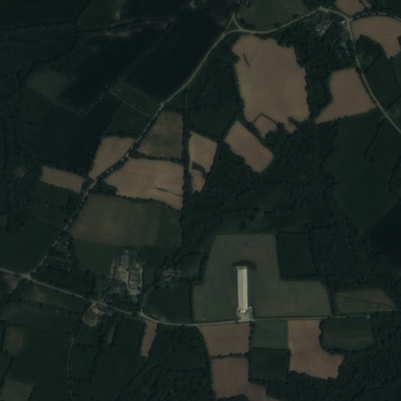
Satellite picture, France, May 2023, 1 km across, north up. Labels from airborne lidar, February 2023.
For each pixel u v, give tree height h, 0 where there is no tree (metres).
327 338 0
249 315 0
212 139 13
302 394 17
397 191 9
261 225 0
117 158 0
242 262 0
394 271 0
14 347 0
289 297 0
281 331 0
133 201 13
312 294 0
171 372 12
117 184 0
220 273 0
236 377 0
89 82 0
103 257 0
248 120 0
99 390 0
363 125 0
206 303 0
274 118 0
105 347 9
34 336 0
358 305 0
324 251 21
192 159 0
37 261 0
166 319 0
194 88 0
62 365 0
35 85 0
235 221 0
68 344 0
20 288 10
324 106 11
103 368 0
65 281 0
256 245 0
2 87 0
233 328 0
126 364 0
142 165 0
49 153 0
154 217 0
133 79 0
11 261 0
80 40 12
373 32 0
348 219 18
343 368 18
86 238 0
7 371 7
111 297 9
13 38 0
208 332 0
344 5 0
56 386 0
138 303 7
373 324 7
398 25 0
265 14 0
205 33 0
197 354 0
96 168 0
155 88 0
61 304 0
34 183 10
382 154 0
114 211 0
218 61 13
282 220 0
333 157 0
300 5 0
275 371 0
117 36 0
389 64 10
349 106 0
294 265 0
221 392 0
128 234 0
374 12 13
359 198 0
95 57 0
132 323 0
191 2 0
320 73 0
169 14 0
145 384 14
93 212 0
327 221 0
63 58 11
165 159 9
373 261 0
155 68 0
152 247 0
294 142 11
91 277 10
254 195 0
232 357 10
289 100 0
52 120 0
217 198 12
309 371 0
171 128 0
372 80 0
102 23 0
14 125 10
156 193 0
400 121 0
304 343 0
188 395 9
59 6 0
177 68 0
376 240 0
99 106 0
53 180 0
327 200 19
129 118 0
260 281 0
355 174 0
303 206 17
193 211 0
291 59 0
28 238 0
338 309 0
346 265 21
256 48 0
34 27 10
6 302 8
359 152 0
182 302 0
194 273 0
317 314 0
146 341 0
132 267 0
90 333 0
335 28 13
